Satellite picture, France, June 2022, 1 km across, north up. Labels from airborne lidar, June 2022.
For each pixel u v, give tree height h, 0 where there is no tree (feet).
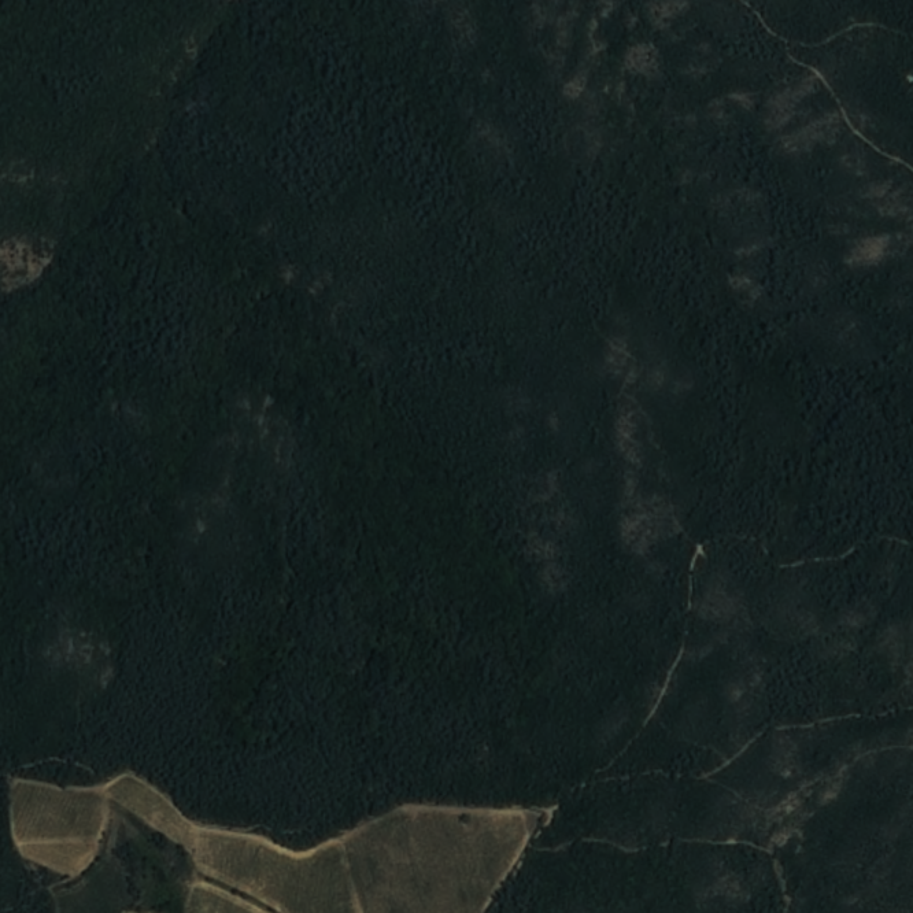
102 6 20
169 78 18
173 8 28
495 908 30
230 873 0
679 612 34
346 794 39
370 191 17
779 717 34
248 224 29
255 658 47
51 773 42
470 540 28
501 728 23
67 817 0
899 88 21
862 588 38
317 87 29
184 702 30
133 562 55
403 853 0
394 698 58
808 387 19
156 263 38
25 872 22
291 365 60
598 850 22
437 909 0
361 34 61
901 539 22
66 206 42
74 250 61
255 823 18
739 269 34
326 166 53
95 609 31
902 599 18
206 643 50
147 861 30
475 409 19
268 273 46
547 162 22
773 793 0
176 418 46
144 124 31
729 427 26
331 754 51
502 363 28
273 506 25
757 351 60
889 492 55
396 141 55
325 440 46
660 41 23
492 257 21
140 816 0
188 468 23
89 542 49
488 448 23
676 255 46
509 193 26
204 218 44
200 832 0
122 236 52
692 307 50
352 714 39
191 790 42
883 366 48
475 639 53
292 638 52
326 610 38
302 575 40
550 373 20
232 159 20
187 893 0
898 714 29
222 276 38
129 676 48
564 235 45
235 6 42
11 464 22
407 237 29
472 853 0
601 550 18
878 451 49
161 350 51
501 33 28
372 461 56
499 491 25
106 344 37
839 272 30
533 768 20
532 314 20
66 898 0
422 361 41
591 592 24
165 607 43
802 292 39
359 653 61
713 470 47
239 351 32
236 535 27
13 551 31
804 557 30
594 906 27
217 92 26
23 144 40
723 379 45
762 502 41
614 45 21
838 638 20
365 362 28
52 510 19
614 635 25
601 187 46
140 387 26
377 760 29
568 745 20
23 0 61
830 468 47
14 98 18
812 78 0
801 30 25
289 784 52
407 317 28
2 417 41
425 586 49
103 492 31
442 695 25
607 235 48
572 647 20
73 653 0
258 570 29
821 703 34
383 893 0
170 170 29
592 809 23
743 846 39
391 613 41
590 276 40
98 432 27
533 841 20
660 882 17
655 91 17
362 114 28
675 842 39
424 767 27
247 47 29
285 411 21
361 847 0
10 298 29
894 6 26
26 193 22
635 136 29
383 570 51
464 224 53
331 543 24
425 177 59
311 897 0
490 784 22
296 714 58
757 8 24
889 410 44
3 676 31
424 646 56
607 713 19
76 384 43
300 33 64
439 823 0
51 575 18
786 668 24
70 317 56
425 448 32
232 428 19
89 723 39
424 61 21
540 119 41
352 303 26
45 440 21
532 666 34
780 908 56
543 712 19
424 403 24
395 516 25
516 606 36
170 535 25
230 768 52
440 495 37
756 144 44
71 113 24
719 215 20
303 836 39
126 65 27
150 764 52
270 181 22
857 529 34
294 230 22
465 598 31
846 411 51
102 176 44
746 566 29
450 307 36
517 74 41
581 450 20
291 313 48
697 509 28
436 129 32
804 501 20
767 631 28
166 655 50
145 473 30
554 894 26
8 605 34
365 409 49
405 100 59
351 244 26
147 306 53
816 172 41
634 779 33
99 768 48
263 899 0
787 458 27
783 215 35
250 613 44
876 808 20
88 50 21
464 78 18
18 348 22
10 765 39
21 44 32
